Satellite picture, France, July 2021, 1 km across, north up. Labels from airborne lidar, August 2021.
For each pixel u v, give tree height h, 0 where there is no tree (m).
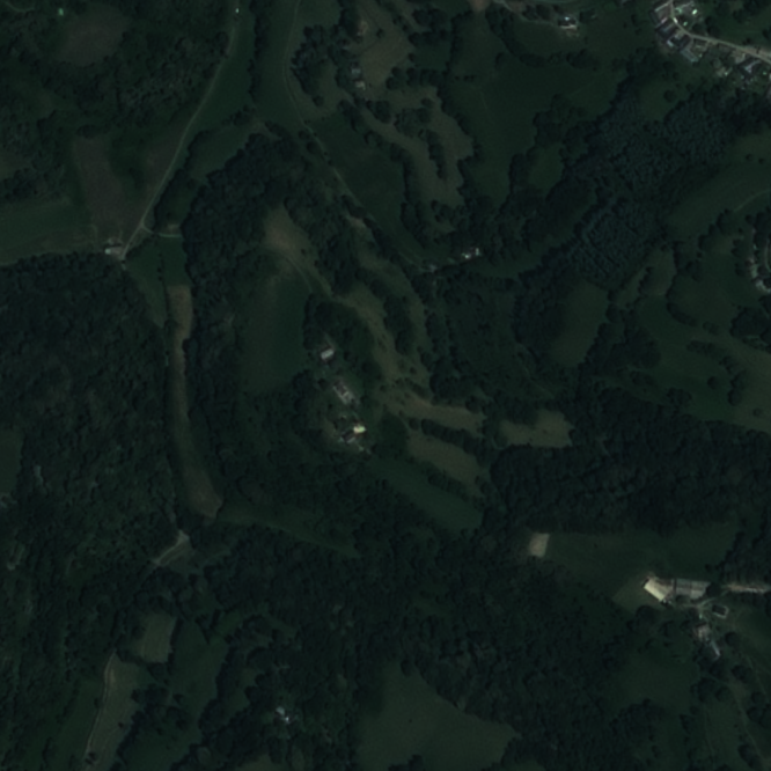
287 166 23
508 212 28
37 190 24
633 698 0
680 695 0
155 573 12
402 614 16
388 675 0
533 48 0
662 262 0
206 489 0
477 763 0
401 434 7
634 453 33
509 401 21
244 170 26
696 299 0
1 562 28
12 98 13
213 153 0
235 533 13
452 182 0
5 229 0
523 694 28
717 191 0
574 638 9
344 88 16
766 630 0
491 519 20
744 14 19
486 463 13
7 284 24
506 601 14
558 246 0
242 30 0
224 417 21
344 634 23
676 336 0
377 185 0
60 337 23
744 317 19
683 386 0
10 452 0
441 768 0
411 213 20
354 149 0
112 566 18
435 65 0
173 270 0
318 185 27
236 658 22
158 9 25
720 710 0
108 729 0
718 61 10
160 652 0
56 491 21
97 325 27
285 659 19
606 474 24
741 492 26
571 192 28
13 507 12
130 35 16
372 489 10
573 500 28
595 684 12
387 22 0
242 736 22
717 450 23
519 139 0
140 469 27
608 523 24
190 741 0
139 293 16
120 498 25
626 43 0
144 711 0
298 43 0
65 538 27
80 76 15
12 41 8
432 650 18
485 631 17
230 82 0
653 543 0
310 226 21
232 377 21
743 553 21
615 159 28
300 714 8
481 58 0
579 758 21
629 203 23
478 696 29
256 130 0
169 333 7
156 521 27
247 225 21
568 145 24
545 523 27
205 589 21
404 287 0
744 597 12
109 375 28
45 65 21
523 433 0
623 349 19
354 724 10
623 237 31
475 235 23
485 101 0
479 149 17
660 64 7
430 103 11
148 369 26
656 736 8
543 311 29
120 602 14
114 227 0
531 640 18
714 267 0
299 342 0
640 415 23
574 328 0
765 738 0
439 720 0
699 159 32
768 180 0
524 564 15
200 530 17
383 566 8
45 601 21
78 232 0
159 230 11
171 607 19
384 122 17
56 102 0
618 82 0
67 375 25
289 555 22
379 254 9
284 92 0
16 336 21
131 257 12
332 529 10
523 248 23
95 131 18
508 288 8
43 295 27
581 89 0
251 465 9
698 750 6
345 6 24
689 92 9
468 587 27
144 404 35
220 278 18
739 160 0
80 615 21
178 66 24
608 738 19
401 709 0
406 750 0
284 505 9
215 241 24
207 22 27
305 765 28
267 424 9
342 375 7
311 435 11
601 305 0
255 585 28
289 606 29
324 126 0
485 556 13
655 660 0
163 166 0
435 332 24
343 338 9
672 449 21
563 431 0
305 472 9
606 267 30
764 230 16
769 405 0
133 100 18
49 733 0
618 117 26
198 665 0
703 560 0
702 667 18
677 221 0
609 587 0
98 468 24
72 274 25
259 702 21
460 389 12
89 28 0
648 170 29
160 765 0
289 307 0
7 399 24
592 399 9
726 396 0
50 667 12
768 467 20
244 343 6
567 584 21
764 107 19
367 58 0
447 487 8
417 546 11
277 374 0
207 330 20
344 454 7
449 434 21
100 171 0
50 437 26
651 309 0
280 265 0
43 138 10
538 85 0
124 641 17
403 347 24
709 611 0
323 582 29
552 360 24
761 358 0
